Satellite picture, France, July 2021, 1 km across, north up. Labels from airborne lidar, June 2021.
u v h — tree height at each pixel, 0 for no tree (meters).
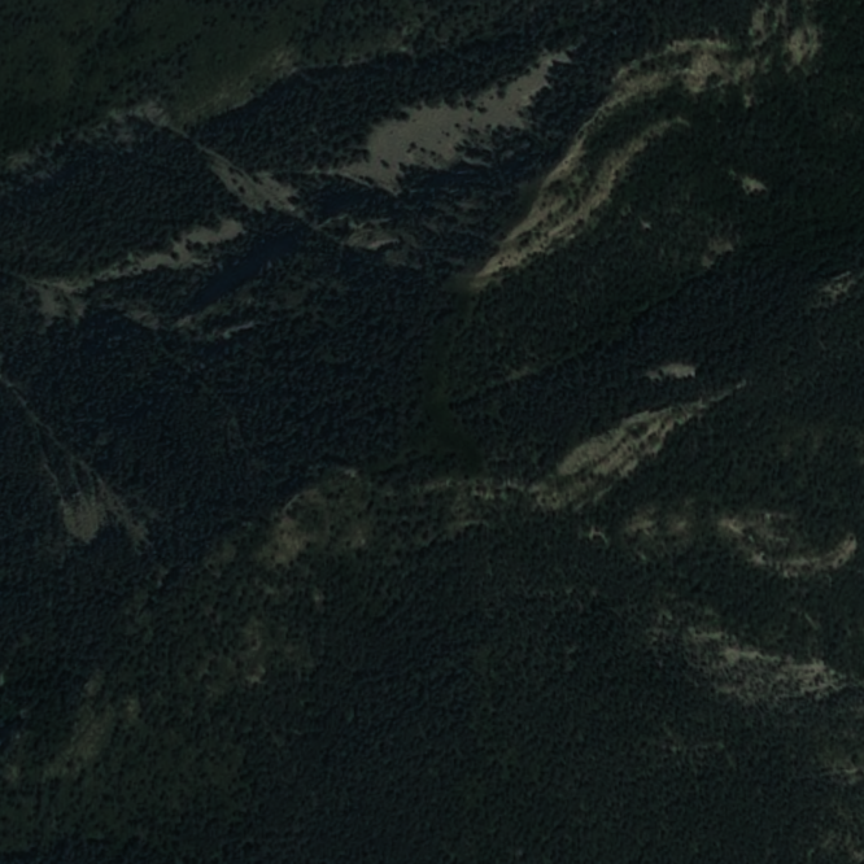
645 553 6
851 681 7
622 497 13
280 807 15
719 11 16
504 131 11
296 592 8
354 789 14
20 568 14
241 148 11
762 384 13
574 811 14
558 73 12
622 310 20
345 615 12
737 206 9
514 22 15
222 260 8
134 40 10
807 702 8
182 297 7
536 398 19
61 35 7
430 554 17
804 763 12
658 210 7
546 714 15
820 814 7
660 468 9
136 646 12
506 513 10
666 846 12
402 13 7
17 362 13
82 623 15
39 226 12
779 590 17
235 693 8
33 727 10
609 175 0
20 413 10
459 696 12
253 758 13
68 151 13
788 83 9
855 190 18
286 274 18
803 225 20
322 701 16
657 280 9
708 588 6
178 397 16
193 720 9
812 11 11
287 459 16
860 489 12
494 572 12
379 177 0
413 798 10
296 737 13
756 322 17
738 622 6
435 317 6
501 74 11
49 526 8
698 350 14
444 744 13
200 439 14
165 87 6
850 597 13
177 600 7
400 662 15
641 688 14
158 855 9
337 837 15
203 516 13
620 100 10
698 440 13
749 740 15
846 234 22
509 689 16
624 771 10
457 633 14
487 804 16
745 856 16
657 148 12
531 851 11
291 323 13
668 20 17
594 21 10
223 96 0
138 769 9
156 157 10
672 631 8
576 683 18
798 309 12
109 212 6
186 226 15
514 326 12
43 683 12
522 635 10
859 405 13
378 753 15
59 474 9
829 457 8
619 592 14
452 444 0
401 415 11
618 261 13
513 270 6
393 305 15
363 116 19
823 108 10
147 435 21
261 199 0
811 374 11
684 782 11
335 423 22
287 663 6
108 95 8
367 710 16
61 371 14
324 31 15
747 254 14
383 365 17
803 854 10
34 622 12
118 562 13
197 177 13
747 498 9
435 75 16
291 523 0
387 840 14
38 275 9
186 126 7
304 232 8
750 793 15
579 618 16
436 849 13
